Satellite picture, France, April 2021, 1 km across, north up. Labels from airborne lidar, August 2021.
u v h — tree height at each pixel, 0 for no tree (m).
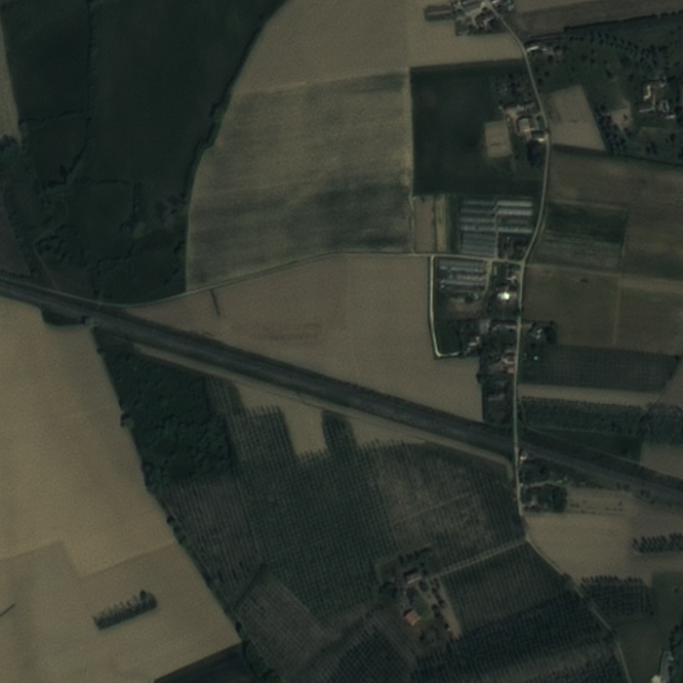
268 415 20
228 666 0
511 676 26
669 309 0
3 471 0
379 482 19
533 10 0
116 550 0
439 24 0
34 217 0
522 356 0
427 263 0
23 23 0
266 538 19
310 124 0
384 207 0
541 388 0
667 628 0
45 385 0
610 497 0
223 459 10
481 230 0
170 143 0
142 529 0
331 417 0
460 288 0
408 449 18
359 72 0
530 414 8
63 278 0
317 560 21
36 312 0
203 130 0
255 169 0
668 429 21
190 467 0
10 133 0
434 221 0
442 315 0
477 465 0
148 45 0
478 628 16
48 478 0
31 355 0
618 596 19
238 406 0
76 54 0
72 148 0
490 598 18
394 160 0
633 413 7
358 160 0
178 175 0
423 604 27
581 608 21
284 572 20
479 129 0
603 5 0
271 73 0
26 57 0
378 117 0
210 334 0
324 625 19
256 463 19
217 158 0
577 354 14
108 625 14
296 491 22
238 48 0
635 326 0
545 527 0
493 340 10
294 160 0
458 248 0
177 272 8
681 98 8
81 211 0
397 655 21
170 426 12
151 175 0
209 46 0
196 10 0
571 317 0
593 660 26
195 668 0
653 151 11
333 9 0
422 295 0
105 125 0
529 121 0
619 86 0
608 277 0
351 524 21
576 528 0
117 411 0
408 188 0
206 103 0
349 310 0
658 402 0
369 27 0
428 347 0
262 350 0
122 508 0
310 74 0
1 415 0
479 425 7
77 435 0
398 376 0
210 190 0
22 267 0
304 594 19
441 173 0
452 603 18
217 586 28
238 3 0
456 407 0
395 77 0
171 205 0
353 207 0
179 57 0
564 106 0
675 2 0
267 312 0
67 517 0
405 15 0
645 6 0
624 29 6
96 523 0
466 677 20
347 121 0
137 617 11
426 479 14
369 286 0
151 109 0
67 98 0
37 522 0
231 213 0
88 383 0
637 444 0
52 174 0
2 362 0
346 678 18
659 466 0
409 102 0
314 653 18
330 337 0
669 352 0
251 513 20
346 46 0
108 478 0
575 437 0
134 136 0
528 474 6
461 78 0
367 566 20
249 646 15
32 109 0
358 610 20
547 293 0
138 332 0
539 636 19
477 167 0
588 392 0
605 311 0
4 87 0
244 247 0
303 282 0
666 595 0
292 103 0
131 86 0
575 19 0
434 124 0
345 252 0
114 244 0
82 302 0
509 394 12
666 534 0
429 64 0
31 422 0
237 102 0
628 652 0
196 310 0
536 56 10
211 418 12
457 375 0
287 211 0
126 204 0
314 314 0
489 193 0
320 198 0
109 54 0
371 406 0
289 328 0
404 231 0
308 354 0
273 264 0
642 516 0
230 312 0
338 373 0
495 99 0
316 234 0
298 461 19
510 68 0
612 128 10
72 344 0
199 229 0
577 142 0
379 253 0
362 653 16
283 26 0
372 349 0
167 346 0
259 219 0
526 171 0
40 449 0
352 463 21
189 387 6
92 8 13
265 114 0
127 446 0
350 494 20
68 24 0
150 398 7
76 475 0
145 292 0
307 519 21
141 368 6
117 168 0
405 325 0
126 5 0
